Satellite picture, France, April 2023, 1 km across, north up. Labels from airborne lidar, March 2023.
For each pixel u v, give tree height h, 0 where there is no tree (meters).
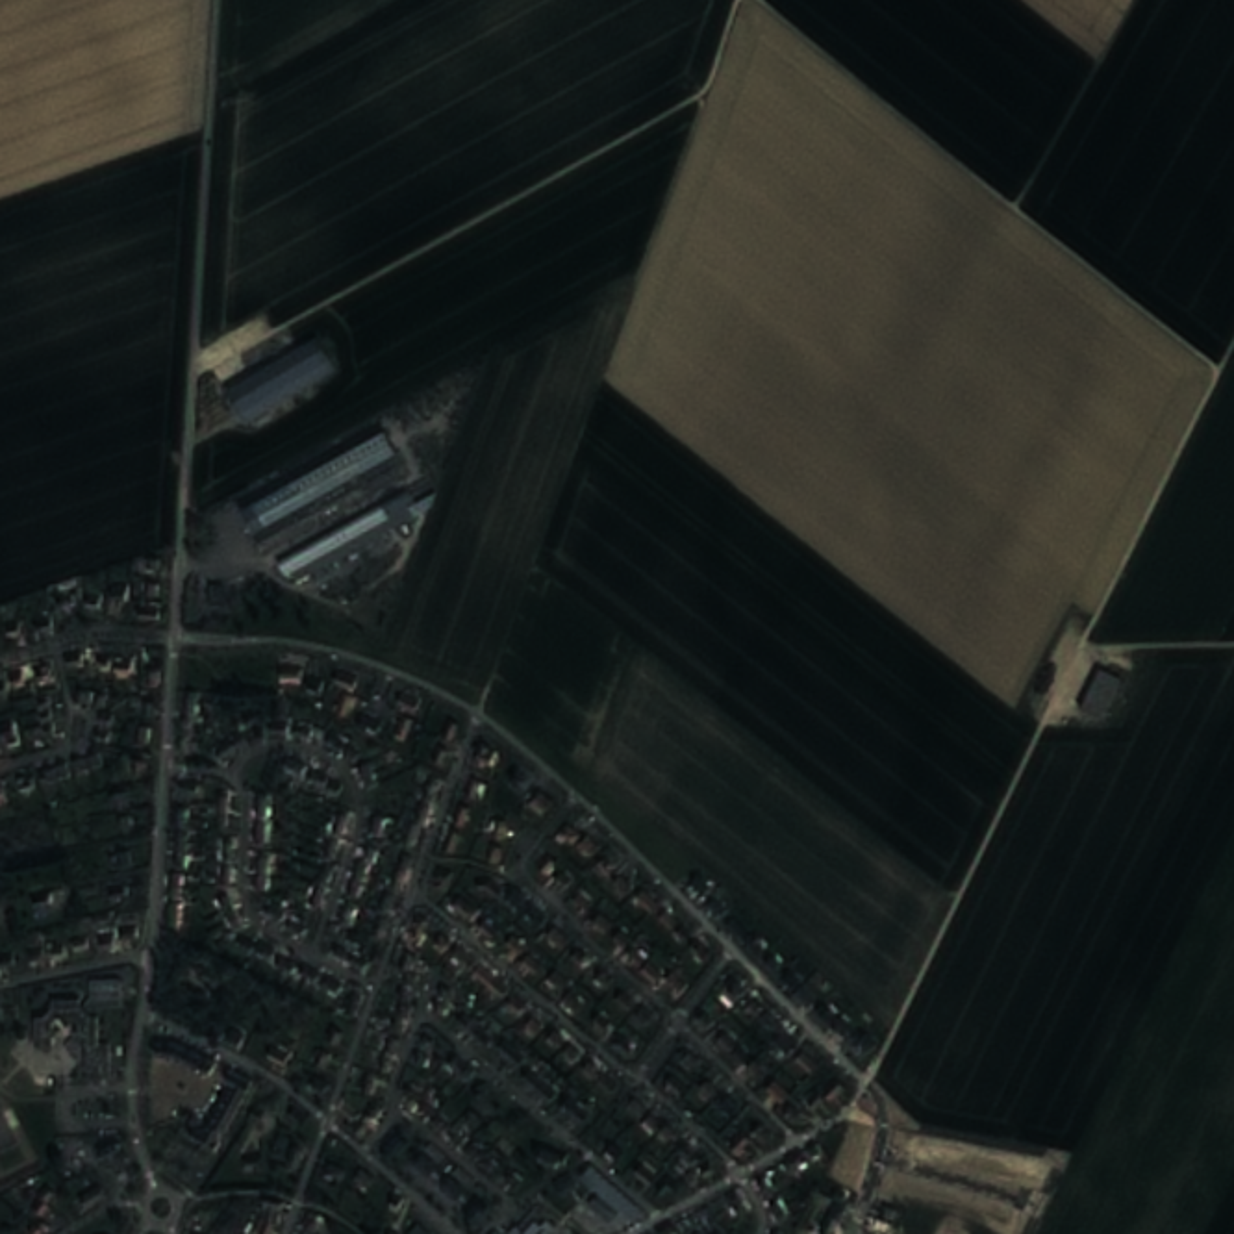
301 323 0
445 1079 0
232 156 0
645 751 0
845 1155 0
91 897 0
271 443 0
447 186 0
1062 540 0
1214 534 0
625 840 0
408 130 0
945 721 0
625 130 0
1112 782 0
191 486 0
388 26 0
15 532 0
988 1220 0
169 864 0
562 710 0
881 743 0
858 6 0
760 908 0
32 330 0
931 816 0
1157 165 0
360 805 0
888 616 0
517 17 0
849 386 0
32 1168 0
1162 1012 0
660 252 0
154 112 0
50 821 8
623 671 0
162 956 10
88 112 0
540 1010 0
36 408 0
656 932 0
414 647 0
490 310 0
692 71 0
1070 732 0
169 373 0
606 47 0
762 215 0
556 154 0
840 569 0
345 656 0
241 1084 0
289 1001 13
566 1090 0
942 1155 0
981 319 0
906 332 0
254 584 6
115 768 7
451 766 0
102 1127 0
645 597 0
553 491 0
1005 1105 0
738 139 0
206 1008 12
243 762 0
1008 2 0
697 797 0
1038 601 0
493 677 0
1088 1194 0
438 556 0
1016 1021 0
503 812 0
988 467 0
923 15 0
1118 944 0
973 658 0
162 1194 0
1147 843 0
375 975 0
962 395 0
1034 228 0
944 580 0
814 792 0
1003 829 0
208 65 0
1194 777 0
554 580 0
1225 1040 0
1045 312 0
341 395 0
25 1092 0
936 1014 0
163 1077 0
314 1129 0
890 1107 0
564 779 0
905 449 0
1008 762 0
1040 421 0
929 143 0
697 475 0
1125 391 0
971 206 0
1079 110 0
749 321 0
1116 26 0
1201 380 0
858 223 0
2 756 0
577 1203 0
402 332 0
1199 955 0
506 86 0
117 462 0
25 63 0
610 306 0
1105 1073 0
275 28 0
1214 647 0
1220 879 0
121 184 0
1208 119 0
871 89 0
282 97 0
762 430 0
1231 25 0
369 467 0
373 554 0
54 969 0
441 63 0
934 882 0
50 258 0
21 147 0
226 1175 0
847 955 0
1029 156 0
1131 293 0
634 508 0
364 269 0
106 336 0
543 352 0
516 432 0
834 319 0
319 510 0
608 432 0
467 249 0
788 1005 0
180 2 0
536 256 0
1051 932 0
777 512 0
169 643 0
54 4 0
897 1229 0
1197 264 0
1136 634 0
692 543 0
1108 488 0
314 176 0
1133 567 0
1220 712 0
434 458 0
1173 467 0
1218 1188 0
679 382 0
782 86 0
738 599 0
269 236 0
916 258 0
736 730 0
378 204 0
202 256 0
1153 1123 0
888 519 0
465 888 0
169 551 8
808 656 0
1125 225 0
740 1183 0
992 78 0
